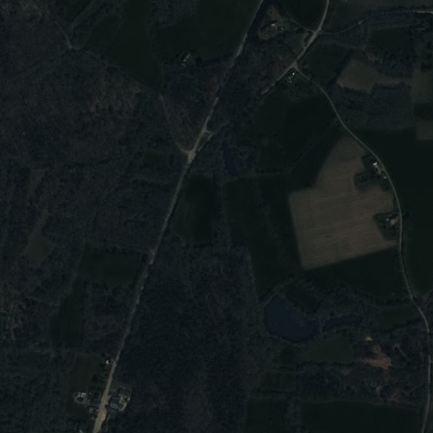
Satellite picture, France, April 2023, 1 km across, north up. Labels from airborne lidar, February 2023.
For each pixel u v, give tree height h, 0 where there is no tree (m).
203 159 9
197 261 14
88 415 0
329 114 0
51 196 23
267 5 15
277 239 7
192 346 17
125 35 0
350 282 0
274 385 0
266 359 12
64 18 18
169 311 22
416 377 12
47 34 12
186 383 14
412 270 0
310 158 0
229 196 0
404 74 10
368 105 19
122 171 16
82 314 18
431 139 0
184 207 0
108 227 15
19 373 14
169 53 0
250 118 21
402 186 0
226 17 0
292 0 0
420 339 11
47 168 18
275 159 0
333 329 9
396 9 6
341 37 26
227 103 21
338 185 0
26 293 13
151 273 19
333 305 10
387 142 0
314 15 0
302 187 0
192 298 16
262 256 0
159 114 18
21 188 15
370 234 0
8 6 15
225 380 22
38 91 16
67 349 12
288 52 12
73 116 17
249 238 0
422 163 0
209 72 18
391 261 0
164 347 21
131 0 0
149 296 14
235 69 15
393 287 0
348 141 0
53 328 0
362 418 0
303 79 6
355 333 12
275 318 0
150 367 24
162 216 18
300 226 0
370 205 0
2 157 17
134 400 14
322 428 0
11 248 14
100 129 17
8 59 19
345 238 0
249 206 0
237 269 19
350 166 0
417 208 0
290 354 0
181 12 13
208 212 0
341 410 0
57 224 16
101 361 0
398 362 9
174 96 18
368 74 0
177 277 20
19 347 17
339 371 10
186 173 16
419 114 0
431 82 0
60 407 13
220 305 12
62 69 12
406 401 10
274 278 0
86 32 14
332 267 0
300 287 8
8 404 18
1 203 17
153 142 15
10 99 16
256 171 13
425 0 0
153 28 6
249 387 16
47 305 12
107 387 0
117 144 18
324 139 0
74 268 12
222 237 14
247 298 19
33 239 0
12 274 16
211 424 22
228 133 16
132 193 19
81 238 16
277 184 0
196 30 0
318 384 12
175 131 18
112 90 16
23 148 12
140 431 17
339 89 16
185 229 0
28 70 17
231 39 0
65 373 13
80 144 16
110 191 14
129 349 22
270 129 0
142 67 0
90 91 20
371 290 0
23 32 10
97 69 19
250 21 0
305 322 0
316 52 0
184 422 20
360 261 0
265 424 0
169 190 19
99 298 21
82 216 20
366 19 20
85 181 19
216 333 15
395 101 18
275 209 0
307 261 0
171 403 21
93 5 0
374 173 6
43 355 15
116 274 0
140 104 15
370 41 6
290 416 17
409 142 0
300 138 0
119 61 0
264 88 9
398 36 0
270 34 0
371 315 15
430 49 15
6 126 14
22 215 17
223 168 11
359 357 12
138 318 17
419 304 16
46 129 16
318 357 0
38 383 14
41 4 14
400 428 0
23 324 16
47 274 15
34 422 15
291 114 0
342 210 0
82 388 0
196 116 21
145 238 15
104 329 19
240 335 18
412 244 0
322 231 0
